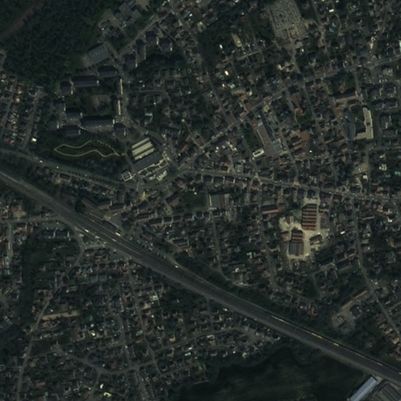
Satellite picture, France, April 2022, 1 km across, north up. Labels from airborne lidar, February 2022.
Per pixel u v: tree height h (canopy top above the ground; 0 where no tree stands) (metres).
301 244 0
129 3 0
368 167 0
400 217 0
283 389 0
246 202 0
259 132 0
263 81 15
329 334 9
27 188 0
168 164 0
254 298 6
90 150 0
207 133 8
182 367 0
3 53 0
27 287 12
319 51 13
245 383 0
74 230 0
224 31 7
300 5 0
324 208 0
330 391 0
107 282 0
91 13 22
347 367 0
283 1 0
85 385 0
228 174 0
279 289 0
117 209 0
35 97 0
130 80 0
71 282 0
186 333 0
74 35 27
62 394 0
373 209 9
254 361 20
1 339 15
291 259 0
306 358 14
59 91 0
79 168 12
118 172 21
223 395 0
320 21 0
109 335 0
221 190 7
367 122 0
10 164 19
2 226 0
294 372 0
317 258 8
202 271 12
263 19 13
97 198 13
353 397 0
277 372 0
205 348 0
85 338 0
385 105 0
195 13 0
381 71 0
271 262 0
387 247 6
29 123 0
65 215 0
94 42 0
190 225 6
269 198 0
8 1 20
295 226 0
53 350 0
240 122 0
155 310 0
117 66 0
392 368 0
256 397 0
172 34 8
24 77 22
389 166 7
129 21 0
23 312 17
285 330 0
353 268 0
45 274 0
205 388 0
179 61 21
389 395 0
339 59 13
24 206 0
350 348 0
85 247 0
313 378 0
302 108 0
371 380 0
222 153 0
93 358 0
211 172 0
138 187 0
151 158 0
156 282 6
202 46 20
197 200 0
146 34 0
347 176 10
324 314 18
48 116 20
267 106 0
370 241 9
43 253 0
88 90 14
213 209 0
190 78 6
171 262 0
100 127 0
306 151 0
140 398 0
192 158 0
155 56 14
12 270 10
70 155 0
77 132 0
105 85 19
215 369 17
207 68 25
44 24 18
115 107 0
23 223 0
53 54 26
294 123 0
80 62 0
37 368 8
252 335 0
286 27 0
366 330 12
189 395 0
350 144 8
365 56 0
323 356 0
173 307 0
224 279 0
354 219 0
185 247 0
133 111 13
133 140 0
